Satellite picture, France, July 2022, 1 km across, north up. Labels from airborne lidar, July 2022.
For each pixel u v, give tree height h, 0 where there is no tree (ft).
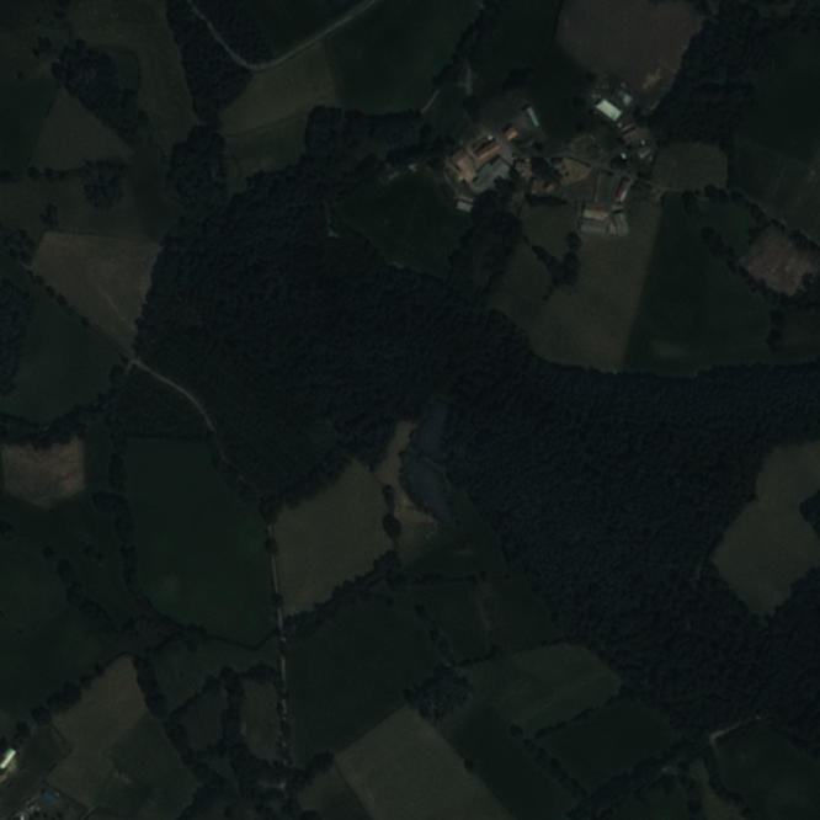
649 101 0
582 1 0
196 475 0
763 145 0
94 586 0
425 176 0
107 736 0
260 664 0
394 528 86
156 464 0
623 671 63
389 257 0
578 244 45
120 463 74
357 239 26
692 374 0
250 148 0
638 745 0
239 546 0
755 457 61
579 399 101
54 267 0
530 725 0
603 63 0
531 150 0
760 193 0
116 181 60
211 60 84
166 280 73
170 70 0
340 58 0
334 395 85
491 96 0
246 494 69
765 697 80
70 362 0
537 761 39
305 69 0
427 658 0
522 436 59
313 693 0
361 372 75
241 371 18
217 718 0
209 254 64
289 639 59
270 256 64
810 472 0
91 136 0
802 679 106
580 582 66
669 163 0
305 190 64
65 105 0
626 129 0
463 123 0
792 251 0
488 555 0
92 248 0
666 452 86
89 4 0
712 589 25
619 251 0
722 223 0
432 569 0
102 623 66
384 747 0
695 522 94
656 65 0
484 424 34
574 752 0
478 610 0
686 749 60
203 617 0
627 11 0
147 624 21
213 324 84
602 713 0
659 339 0
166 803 0
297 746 0
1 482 0
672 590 30
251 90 0
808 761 0
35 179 59
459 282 20
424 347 90
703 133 34
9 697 0
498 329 43
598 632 23
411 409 65
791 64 0
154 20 0
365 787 0
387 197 0
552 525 85
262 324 80
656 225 0
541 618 0
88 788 0
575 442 89
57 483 0
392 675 0
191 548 0
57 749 0
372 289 86
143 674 66
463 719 0
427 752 0
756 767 0
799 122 0
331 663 0
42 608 0
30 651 0
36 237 0
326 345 57
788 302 75
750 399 78
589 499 86
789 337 0
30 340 0
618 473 82
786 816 0
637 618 64
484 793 0
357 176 24
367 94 0
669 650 63
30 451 0
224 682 24
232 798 22
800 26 30
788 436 68
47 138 0
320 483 80
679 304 0
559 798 0
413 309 78
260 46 66
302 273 66
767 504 0
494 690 0
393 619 0
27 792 0
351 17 0
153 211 0
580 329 0
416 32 0
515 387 79
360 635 0
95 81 73
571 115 0
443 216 0
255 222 55
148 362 24
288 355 27
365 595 57
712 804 0
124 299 0
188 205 57
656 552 80
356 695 0
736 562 0
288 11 0
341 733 0
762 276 0
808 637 88
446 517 0
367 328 73
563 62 0
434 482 0
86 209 0
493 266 22
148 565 0
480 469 90
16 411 0
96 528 0
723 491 79
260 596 0
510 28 0
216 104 63
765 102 0
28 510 0
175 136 0
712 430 76
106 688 0
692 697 61
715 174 0
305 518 0
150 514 0
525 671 0
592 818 73
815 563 0
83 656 0
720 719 53
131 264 0
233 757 63
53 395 0
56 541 0
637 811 0
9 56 0
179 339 23
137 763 0
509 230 73
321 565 0
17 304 58
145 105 0
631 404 113
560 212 0
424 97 0
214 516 0
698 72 69
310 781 46
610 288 0
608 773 0
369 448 70
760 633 51
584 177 0
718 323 0
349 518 0
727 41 32
